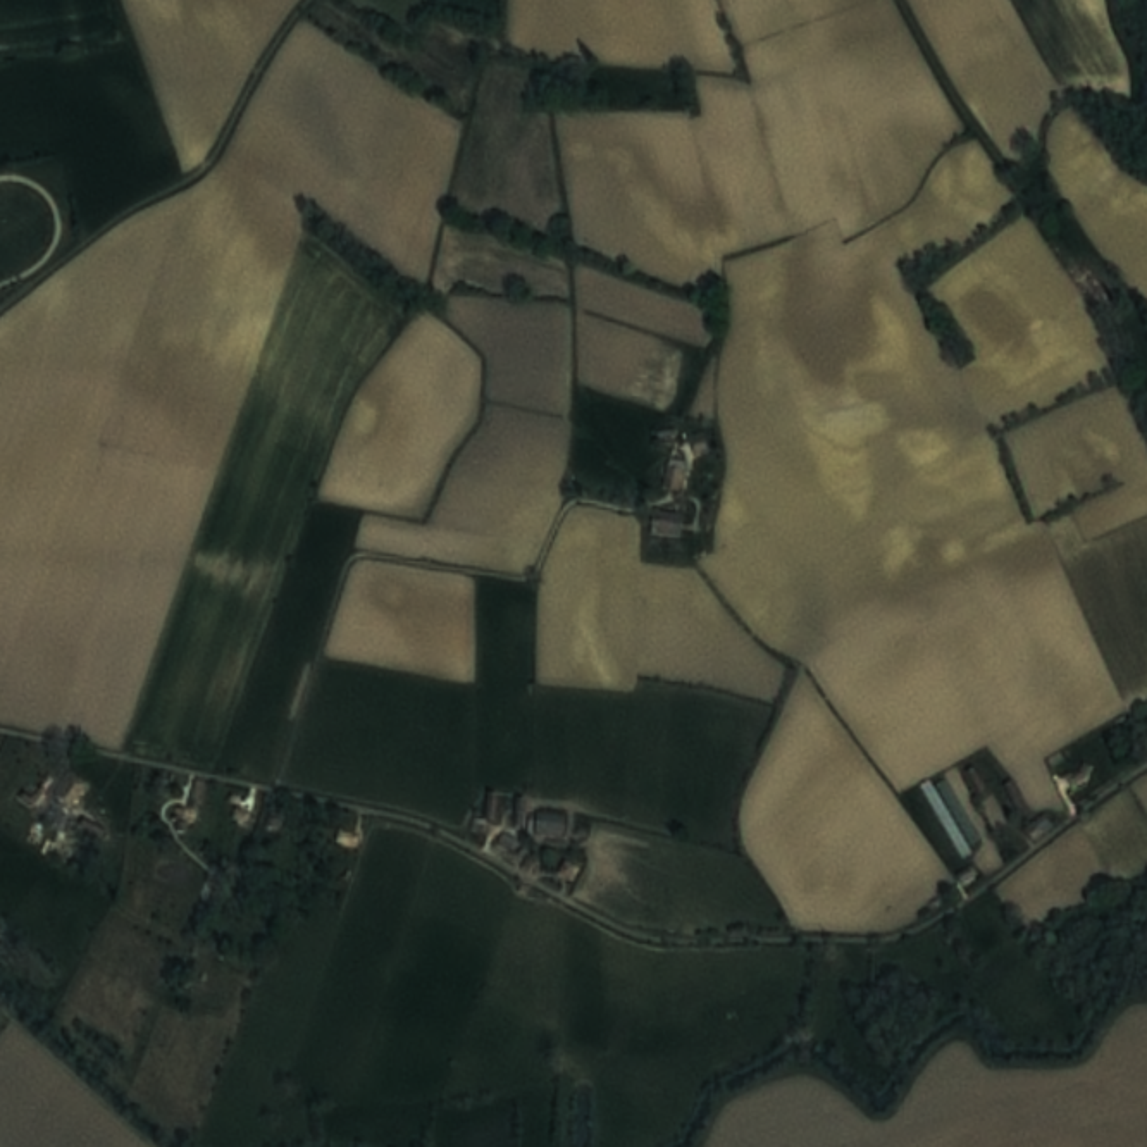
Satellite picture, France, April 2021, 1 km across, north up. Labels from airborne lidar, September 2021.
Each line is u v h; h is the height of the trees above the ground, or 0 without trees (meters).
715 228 0
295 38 0
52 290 0
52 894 0
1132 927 14
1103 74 0
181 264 0
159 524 0
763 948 6
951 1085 0
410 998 0
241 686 0
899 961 0
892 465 0
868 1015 18
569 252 10
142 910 0
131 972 0
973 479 0
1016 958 0
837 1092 0
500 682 0
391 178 0
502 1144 0
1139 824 0
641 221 0
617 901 0
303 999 0
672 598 0
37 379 0
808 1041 25
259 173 0
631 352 0
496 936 0
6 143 0
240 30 0
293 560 6
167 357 0
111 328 0
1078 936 13
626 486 0
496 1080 0
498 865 0
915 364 0
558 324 0
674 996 0
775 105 0
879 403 0
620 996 0
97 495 0
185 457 0
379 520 0
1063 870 0
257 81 0
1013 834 10
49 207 0
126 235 0
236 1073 0
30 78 0
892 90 0
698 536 0
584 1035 0
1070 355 0
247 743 0
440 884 0
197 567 0
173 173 0
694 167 0
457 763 0
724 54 0
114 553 0
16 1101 0
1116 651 0
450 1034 0
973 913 0
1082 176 0
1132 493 0
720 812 0
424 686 0
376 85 0
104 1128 0
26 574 0
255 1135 0
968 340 12
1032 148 25
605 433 0
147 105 0
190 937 12
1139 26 9
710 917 0
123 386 0
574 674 0
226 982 0
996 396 0
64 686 0
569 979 0
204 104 0
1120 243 0
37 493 0
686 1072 0
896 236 0
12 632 0
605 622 0
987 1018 10
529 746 0
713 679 0
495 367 0
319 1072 0
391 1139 0
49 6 0
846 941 0
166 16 0
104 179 0
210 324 0
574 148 0
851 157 0
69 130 0
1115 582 0
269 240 0
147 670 0
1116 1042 0
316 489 8
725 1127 0
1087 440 0
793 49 0
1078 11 0
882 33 0
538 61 13
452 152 0
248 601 0
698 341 0
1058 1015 0
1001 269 0
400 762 0
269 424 0
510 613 0
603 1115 0
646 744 0
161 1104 0
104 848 20
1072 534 0
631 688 0
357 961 0
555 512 0
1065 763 0
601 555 0
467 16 16
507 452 0
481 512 0
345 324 0
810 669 0
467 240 0
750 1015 0
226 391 0
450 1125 0
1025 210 12
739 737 0
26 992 15
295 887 13
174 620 0
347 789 0
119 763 0
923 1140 0
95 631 0
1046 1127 0
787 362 0
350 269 12
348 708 0
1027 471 0
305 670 0
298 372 0
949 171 0
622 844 0
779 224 0
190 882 0
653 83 0
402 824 0
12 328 0
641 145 0
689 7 0
